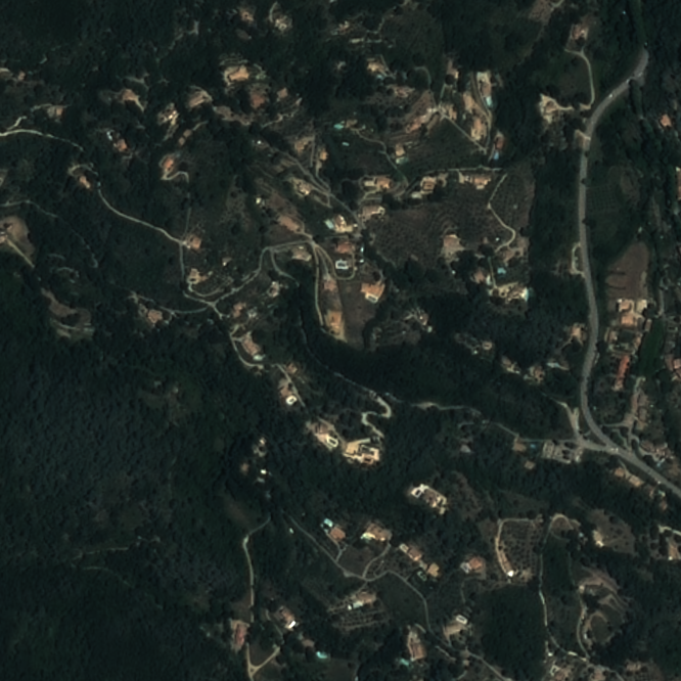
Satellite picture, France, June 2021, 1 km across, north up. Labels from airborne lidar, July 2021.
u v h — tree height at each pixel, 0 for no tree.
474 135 0
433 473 13
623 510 9
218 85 12
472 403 12
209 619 14
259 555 8
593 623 0
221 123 8
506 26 10
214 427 12
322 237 14
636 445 9
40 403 24
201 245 5
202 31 13
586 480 13
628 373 11
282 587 11
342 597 8
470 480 11
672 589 10
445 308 23
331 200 0
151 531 9
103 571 7
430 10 12
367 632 10
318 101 14
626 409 11
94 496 26
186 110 10
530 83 15
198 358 8
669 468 0
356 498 12
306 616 10
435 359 8
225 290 10
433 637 11
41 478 19
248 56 14
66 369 13
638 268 0
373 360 16
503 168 15
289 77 13
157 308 13
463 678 0
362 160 0
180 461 12
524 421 7
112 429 21
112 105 9
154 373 7
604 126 17
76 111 14
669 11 11
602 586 0
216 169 10
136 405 22
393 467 18
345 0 12
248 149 12
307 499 10
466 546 16
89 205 7
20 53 12
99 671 11
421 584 7
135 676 11
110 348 14
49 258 13
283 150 11
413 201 12
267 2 11
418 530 12
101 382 19
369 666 13
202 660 10
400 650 12
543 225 15
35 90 10
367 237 9
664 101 9
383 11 7
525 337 19
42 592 23
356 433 6
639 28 19
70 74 12
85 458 15
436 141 0
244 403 12
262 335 9
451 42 11
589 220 10
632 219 10
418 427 13
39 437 19
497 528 0
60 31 10
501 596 7
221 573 14
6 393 9
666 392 7
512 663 6
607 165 16
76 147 12
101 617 15
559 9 8
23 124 11
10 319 13
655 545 12
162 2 6
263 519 11
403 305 9
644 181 8
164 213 13
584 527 11
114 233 11
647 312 16
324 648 9
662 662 6
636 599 7
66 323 18
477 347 6
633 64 0
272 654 0
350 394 17
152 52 7
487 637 11
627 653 9
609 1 10
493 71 10
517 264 13
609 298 0
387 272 13
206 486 8
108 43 11
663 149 14
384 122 11
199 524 21
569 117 12
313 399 9
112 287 12
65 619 15
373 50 11
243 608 0
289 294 9
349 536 7
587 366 0
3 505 17
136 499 6
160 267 6
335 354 18
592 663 10
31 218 14
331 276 0
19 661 15
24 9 10
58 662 7
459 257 14
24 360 13
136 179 11
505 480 21
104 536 16
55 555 20
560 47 12
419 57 13
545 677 0
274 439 8
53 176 12
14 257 7
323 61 11
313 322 8
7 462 11
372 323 11
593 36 0
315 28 10
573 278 9
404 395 15
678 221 16
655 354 13
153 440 11
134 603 15
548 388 14
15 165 23
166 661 9
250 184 15
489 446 20
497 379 15
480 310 19
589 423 0
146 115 8
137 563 11
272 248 0
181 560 16
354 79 18
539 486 14
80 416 18
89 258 9
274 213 9
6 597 18
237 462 17
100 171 10
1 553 11
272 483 12
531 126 19
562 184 12
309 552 8
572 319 15
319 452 16
